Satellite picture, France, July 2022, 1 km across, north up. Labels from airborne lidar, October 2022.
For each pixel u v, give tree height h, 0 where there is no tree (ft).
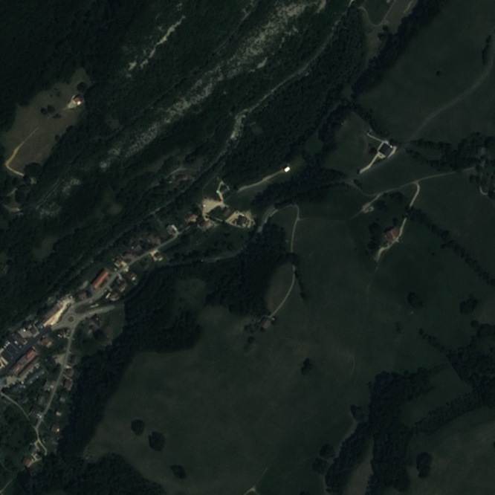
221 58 35
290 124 67
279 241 60
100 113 71
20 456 0
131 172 52
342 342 0
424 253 0
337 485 50
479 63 0
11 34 58
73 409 67
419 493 0
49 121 0
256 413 0
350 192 0
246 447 0
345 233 0
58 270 38
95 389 82
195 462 0
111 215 20
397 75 0
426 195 0
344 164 0
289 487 0
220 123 48
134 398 0
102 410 48
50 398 0
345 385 0
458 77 0
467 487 0
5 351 0
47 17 50
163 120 22
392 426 103
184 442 0
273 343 0
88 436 72
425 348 0
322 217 0
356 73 47
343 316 0
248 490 0
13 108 24
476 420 0
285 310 0
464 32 0
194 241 0
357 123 0
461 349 29
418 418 0
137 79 51
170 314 61
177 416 0
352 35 45
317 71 43
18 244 61
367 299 0
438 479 0
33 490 60
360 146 0
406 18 0
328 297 0
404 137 0
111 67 54
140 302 75
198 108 42
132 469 30
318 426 0
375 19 0
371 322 0
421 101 0
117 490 67
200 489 0
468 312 54
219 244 35
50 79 34
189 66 54
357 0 22
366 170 0
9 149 0
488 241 0
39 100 0
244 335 0
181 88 56
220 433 0
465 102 0
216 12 38
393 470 98
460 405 50
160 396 0
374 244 20
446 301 0
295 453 0
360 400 0
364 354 0
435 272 0
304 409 0
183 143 72
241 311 36
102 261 43
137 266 0
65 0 75
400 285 0
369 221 0
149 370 0
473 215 0
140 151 34
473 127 0
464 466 0
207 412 0
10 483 0
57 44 41
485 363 76
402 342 0
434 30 0
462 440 0
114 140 49
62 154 69
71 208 79
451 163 28
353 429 0
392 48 80
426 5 82
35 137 0
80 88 59
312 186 92
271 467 0
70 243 73
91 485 99
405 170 0
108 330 0
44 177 46
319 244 0
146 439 0
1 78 97
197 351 0
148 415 0
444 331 0
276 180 0
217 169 36
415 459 0
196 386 0
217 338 0
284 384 0
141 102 36
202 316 0
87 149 67
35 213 31
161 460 0
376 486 57
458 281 0
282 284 0
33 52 99
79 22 61
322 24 39
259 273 91
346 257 0
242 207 0
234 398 0
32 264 80
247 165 39
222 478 0
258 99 28
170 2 50
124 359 73
